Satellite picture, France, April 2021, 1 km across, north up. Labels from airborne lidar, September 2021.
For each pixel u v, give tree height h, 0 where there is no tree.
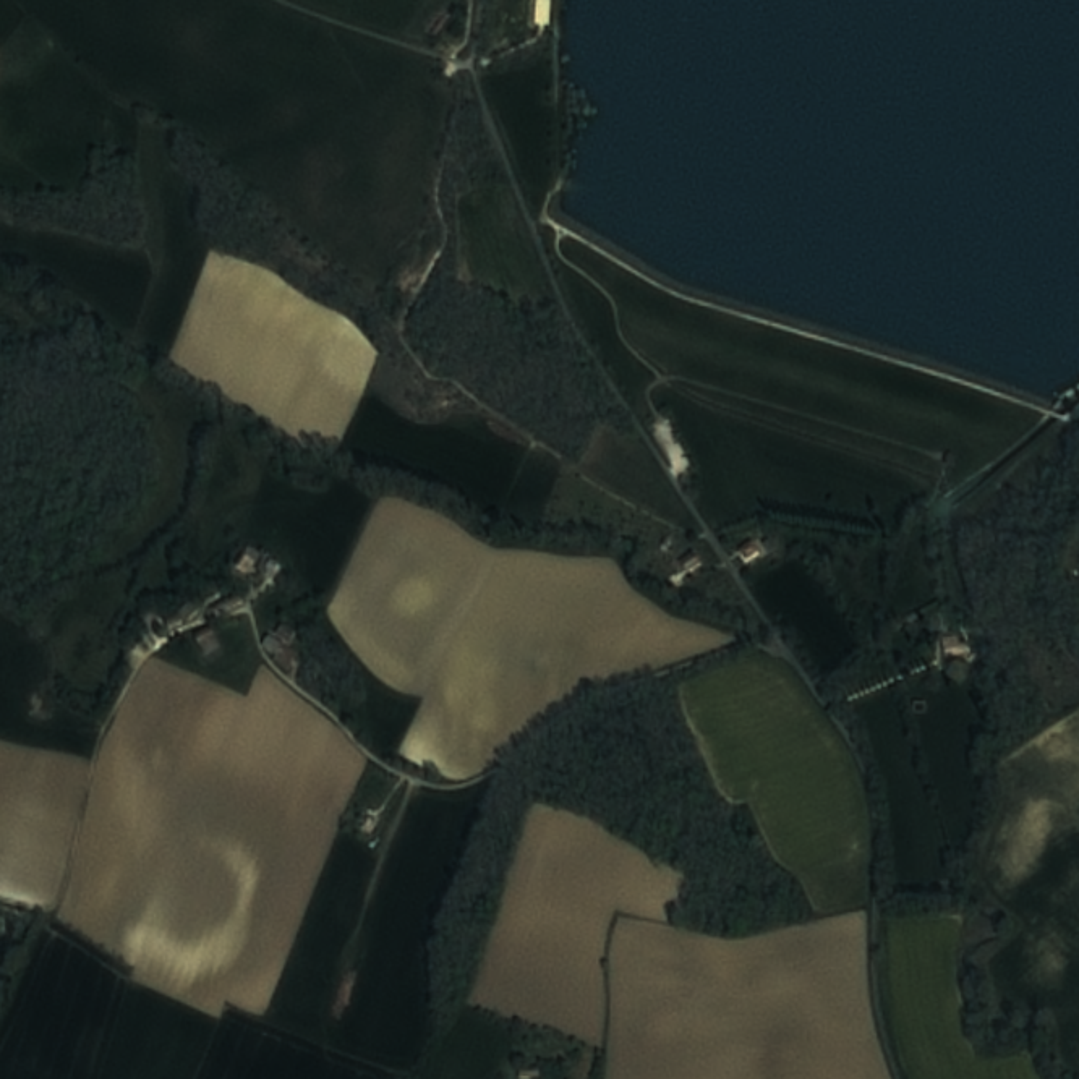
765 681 0
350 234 0
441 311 15
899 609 0
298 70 0
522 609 0
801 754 0
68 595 23
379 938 0
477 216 0
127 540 18
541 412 15
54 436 17
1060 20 0
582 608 0
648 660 0
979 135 0
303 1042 0
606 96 0
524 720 0
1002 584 18
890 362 0
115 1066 0
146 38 0
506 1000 0
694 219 0
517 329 20
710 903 19
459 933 25
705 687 0
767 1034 0
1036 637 9
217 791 0
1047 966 0
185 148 19
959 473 0
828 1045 0
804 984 0
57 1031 0
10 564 16
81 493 11
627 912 0
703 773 15
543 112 0
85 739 0
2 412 17
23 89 0
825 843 0
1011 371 0
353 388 0
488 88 0
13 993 15
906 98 0
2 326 9
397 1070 0
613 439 0
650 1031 0
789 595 0
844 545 26
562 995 0
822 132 0
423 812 0
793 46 0
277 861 0
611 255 0
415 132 0
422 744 0
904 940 0
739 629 27
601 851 0
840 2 0
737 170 0
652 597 21
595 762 18
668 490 0
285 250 12
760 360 0
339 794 0
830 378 0
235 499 0
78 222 17
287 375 0
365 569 0
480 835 20
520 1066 15
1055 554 16
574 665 0
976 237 0
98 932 0
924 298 0
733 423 0
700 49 0
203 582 11
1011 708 26
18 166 0
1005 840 0
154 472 27
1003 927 18
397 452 0
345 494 0
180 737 0
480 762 0
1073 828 0
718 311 0
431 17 0
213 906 0
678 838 24
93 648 0
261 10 0
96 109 0
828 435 0
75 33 0
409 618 0
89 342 26
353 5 0
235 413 27
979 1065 0
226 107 0
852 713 19
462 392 11
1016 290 0
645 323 0
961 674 27
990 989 24
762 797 0
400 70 0
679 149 0
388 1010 0
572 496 0
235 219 14
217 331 0
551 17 0
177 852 0
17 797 0
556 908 0
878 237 0
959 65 0
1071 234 0
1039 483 8
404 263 0
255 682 0
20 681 0
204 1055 0
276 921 0
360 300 16
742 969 0
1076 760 0
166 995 0
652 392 0
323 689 11
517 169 0
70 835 0
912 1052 0
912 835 0
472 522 32
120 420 21
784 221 0
